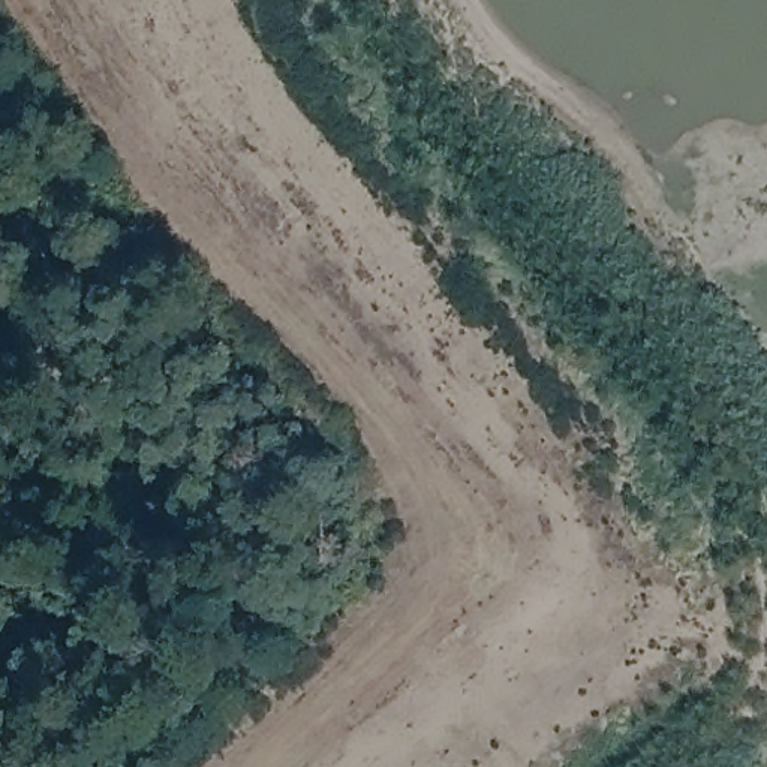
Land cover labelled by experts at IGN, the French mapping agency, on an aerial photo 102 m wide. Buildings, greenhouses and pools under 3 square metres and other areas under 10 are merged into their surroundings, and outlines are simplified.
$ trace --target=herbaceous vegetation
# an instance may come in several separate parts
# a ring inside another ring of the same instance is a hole
[[[339,6],[339,0],[306,0],[300,15],[303,36],[309,45],[318,45],[327,30],[336,27],[333,9]]]
[[[608,707],[596,707],[590,710],[584,725],[608,728],[626,737],[629,716],[641,701],[671,707],[683,692],[704,689],[716,671],[707,668],[707,656],[692,653],[692,659],[686,662],[680,659],[680,653],[665,653],[662,665],[635,674],[638,701],[617,698]]]
[[[99,548],[111,548],[108,530],[78,527],[63,566],[66,575],[78,575],[81,566],[90,563],[90,557]]]
[[[24,294],[51,294],[66,282],[75,264],[54,255],[54,237],[27,210],[0,216],[0,234],[27,249],[27,270],[21,279]]]
[[[21,327],[15,327],[15,324],[12,324],[12,318],[6,315],[6,312],[3,312],[3,309],[0,309],[0,354],[6,354],[9,348],[12,348],[12,342],[18,339],[18,336],[21,336],[21,333],[24,333],[24,330],[21,330]]]
[[[428,36],[446,45],[446,69],[440,72],[446,81],[467,81],[479,63],[473,60],[473,51],[464,42],[473,24],[452,0],[416,0],[416,12],[428,18]]]
[[[767,638],[767,572],[761,566],[761,557],[752,557],[755,602],[761,611],[758,638]]]
[[[740,273],[716,270],[707,279],[722,288],[725,300],[737,300],[737,315],[752,324],[752,333],[767,351],[767,261],[746,267]]]
[[[261,614],[252,614],[240,602],[234,602],[234,632],[264,632],[267,620]]]
[[[108,500],[117,521],[132,527],[132,602],[141,605],[150,599],[150,575],[159,569],[159,560],[189,554],[195,542],[189,539],[186,527],[177,524],[165,509],[168,494],[177,485],[171,467],[159,464],[156,479],[144,482],[138,461],[111,461],[111,473],[105,482]]]
[[[57,348],[51,348],[45,339],[36,339],[36,372],[66,369],[66,357]]]
[[[177,258],[189,246],[171,234],[162,213],[150,213],[141,216],[138,234],[123,237],[117,246],[105,246],[99,261],[81,273],[81,285],[105,285],[117,291],[120,276],[126,276],[132,267],[141,270],[150,261],[177,264]]]
[[[554,725],[554,743],[530,767],[560,767],[575,749],[581,749],[578,728]]]
[[[644,147],[641,153],[644,165],[662,171],[662,201],[674,213],[692,213],[695,177],[686,168],[686,162],[701,156],[704,129],[686,132],[665,153],[650,147]]]
[[[57,614],[39,611],[30,599],[24,599],[12,608],[15,617],[9,617],[0,629],[0,674],[9,665],[15,647],[45,641],[51,635],[51,623],[57,620]]]
[[[638,476],[638,467],[629,449],[632,440],[626,437],[623,425],[614,428],[617,467],[611,476],[611,494],[599,497],[590,491],[587,479],[572,479],[575,503],[581,506],[584,527],[593,533],[602,569],[623,566],[626,584],[635,581],[638,587],[671,587],[683,608],[695,614],[725,605],[725,584],[710,560],[710,524],[698,524],[692,530],[692,548],[662,551],[656,545],[653,524],[638,521],[635,512],[623,506],[623,485],[629,485]]]
[[[425,210],[428,219],[422,225],[422,234],[443,234],[443,243],[437,246],[437,255],[443,258],[452,255],[452,240],[452,228],[446,219],[440,210]]]
[[[0,132],[18,126],[24,111],[12,108],[9,96],[0,93]]]
[[[725,659],[737,659],[749,668],[749,686],[758,683],[767,665],[767,656],[743,653],[731,644],[725,647]]]

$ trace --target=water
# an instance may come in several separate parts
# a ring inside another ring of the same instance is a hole
[[[686,132],[704,129],[716,120],[737,120],[746,126],[767,123],[767,0],[482,0],[491,18],[512,36],[512,42],[524,54],[530,54],[551,75],[566,78],[593,105],[611,114],[620,132],[632,138],[632,144],[641,153],[644,147],[650,147],[665,153]]]

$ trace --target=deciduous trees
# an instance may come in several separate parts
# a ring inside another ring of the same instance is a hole
[[[18,126],[0,132],[0,216],[27,210],[54,237],[54,255],[75,264],[66,282],[51,294],[24,294],[21,279],[27,270],[27,249],[0,234],[0,309],[3,309],[3,312],[6,312],[6,315],[12,318],[12,324],[15,324],[15,327],[21,327],[21,330],[24,330],[24,333],[21,333],[21,336],[18,336],[18,339],[12,342],[12,348],[9,348],[6,354],[0,354],[0,629],[9,617],[15,617],[12,608],[24,599],[30,599],[39,611],[57,614],[57,620],[51,623],[51,635],[45,641],[15,647],[9,665],[0,674],[0,767],[210,767],[210,755],[222,752],[234,740],[234,731],[243,719],[264,719],[270,704],[264,698],[264,686],[273,686],[276,677],[294,671],[297,650],[306,647],[306,635],[321,632],[327,614],[345,611],[348,605],[360,602],[369,590],[384,587],[381,563],[386,560],[386,551],[395,542],[404,539],[404,524],[395,512],[395,503],[389,497],[375,497],[378,470],[360,437],[357,410],[348,401],[333,398],[327,384],[321,384],[312,375],[312,369],[282,342],[279,330],[270,321],[258,318],[243,300],[237,300],[225,282],[219,282],[210,273],[210,264],[189,246],[177,258],[177,264],[150,261],[141,270],[132,267],[126,276],[120,276],[117,291],[105,285],[81,285],[81,273],[99,261],[105,246],[117,246],[123,237],[138,234],[141,216],[150,213],[144,201],[132,192],[132,183],[108,135],[96,123],[90,123],[84,105],[72,93],[66,93],[60,69],[42,57],[42,51],[30,42],[27,30],[21,30],[6,15],[3,0],[0,0],[0,93],[9,96],[12,108],[24,111]],[[36,339],[45,339],[51,348],[57,348],[66,357],[66,369],[36,372]],[[132,602],[132,527],[117,521],[108,500],[105,482],[111,473],[111,461],[138,461],[144,482],[156,479],[159,464],[171,467],[177,485],[168,494],[165,509],[177,524],[186,527],[189,539],[195,542],[189,554],[159,560],[159,569],[150,575],[150,599],[141,605]],[[90,563],[81,566],[78,575],[66,575],[63,566],[78,527],[108,530],[111,548],[99,548],[90,557]],[[267,620],[264,632],[234,632],[234,602],[240,602],[252,614],[261,614]]]
[[[557,201],[548,207],[542,198],[533,198],[533,192],[542,183],[554,183],[560,177],[563,162],[530,162],[527,156],[518,156],[524,141],[512,138],[503,123],[458,123],[452,108],[446,108],[437,99],[437,90],[446,81],[440,72],[446,69],[446,45],[428,36],[428,18],[416,12],[416,0],[339,0],[339,6],[333,9],[336,27],[327,30],[318,45],[327,51],[327,57],[342,54],[354,66],[384,66],[386,105],[392,108],[389,147],[401,159],[419,159],[425,141],[434,150],[446,153],[443,171],[452,174],[455,186],[449,201],[461,204],[461,213],[446,219],[452,228],[452,240],[464,240],[470,246],[470,255],[476,255],[470,273],[488,279],[491,300],[506,306],[512,324],[527,342],[530,357],[554,366],[560,381],[569,381],[572,386],[593,381],[593,389],[599,395],[623,395],[629,407],[635,407],[653,428],[662,428],[665,437],[677,443],[674,452],[689,455],[695,440],[713,440],[713,452],[704,452],[701,467],[689,476],[695,494],[713,500],[710,524],[746,527],[749,536],[767,536],[767,431],[755,425],[761,407],[752,407],[752,413],[731,419],[731,410],[743,407],[743,401],[725,398],[722,386],[698,384],[689,392],[683,392],[683,386],[689,386],[695,360],[683,360],[674,348],[668,348],[668,333],[674,333],[683,324],[680,306],[656,309],[653,315],[647,315],[644,300],[611,297],[614,282],[641,270],[644,258],[629,255],[611,261],[614,246],[587,249],[581,240],[575,240],[578,222],[587,210],[584,198]]]

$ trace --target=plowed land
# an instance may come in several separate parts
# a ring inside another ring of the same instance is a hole
[[[330,632],[333,653],[324,659],[318,674],[312,674],[303,686],[288,692],[273,686],[264,686],[264,698],[270,704],[264,719],[243,719],[234,731],[234,740],[222,752],[210,755],[210,767],[530,767],[554,743],[554,725],[578,728],[584,725],[590,710],[596,707],[608,707],[617,698],[638,701],[635,674],[662,665],[665,653],[680,653],[680,659],[686,662],[692,659],[692,653],[707,656],[707,668],[716,671],[725,659],[725,647],[731,644],[725,638],[725,605],[695,614],[683,608],[671,587],[638,587],[635,581],[626,584],[623,566],[602,569],[593,533],[584,527],[581,506],[575,503],[572,479],[575,446],[551,431],[545,410],[530,398],[527,381],[515,372],[512,357],[485,348],[488,330],[467,327],[458,321],[446,297],[440,297],[440,285],[428,273],[419,246],[410,240],[410,222],[398,213],[384,213],[372,192],[363,186],[363,180],[354,174],[351,159],[339,156],[318,132],[318,126],[303,117],[303,111],[288,96],[285,84],[279,81],[276,69],[264,60],[261,48],[243,27],[237,0],[3,0],[6,15],[21,30],[27,30],[30,42],[42,51],[42,57],[60,69],[66,93],[72,93],[84,105],[90,123],[96,123],[108,135],[132,183],[132,192],[144,201],[150,213],[162,213],[171,234],[189,246],[210,264],[210,273],[219,282],[225,282],[237,300],[243,300],[258,318],[270,321],[279,330],[282,342],[312,369],[312,375],[321,384],[327,384],[333,398],[348,401],[357,410],[360,437],[378,470],[375,497],[389,497],[395,503],[395,512],[404,524],[404,539],[395,542],[386,551],[386,560],[381,563],[384,587],[369,590],[360,602],[348,605],[345,611],[339,626]]]

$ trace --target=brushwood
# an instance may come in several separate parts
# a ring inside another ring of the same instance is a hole
[[[545,410],[551,431],[575,446],[572,479],[587,479],[590,491],[599,497],[611,494],[611,476],[617,467],[614,428],[623,425],[626,437],[632,440],[629,449],[638,467],[638,476],[629,485],[623,485],[623,506],[635,512],[638,521],[653,524],[656,545],[662,551],[692,548],[692,530],[698,524],[710,524],[713,500],[695,494],[689,476],[701,467],[704,452],[713,452],[713,440],[695,440],[689,455],[674,452],[677,443],[665,437],[662,428],[653,428],[635,407],[629,407],[623,395],[599,395],[593,389],[593,381],[572,386],[569,381],[560,381],[554,366],[530,357],[527,342],[512,324],[506,306],[491,300],[488,279],[470,273],[476,255],[470,255],[470,246],[464,240],[452,240],[452,255],[443,258],[437,255],[437,246],[443,243],[443,234],[422,234],[422,225],[428,219],[425,210],[440,210],[446,219],[461,213],[461,204],[449,201],[455,186],[452,174],[443,171],[446,153],[434,150],[425,141],[419,159],[401,159],[389,147],[392,108],[386,105],[384,66],[354,66],[342,54],[327,57],[327,51],[318,45],[309,45],[303,36],[300,15],[306,0],[237,0],[243,27],[261,48],[264,60],[276,69],[279,81],[285,84],[288,96],[303,111],[303,117],[318,126],[318,132],[339,156],[351,159],[354,174],[363,180],[363,186],[372,192],[384,213],[398,213],[410,222],[410,240],[419,246],[428,273],[440,285],[440,297],[446,297],[458,321],[467,327],[488,330],[485,348],[512,357],[515,372],[527,381],[530,398]]]
[[[536,96],[536,90],[524,81],[512,78],[500,87],[497,75],[479,63],[467,81],[446,81],[437,90],[437,99],[446,108],[452,108],[458,123],[503,123],[512,138],[524,141],[518,156],[527,156],[530,162],[563,162],[560,177],[554,183],[542,183],[533,192],[533,198],[542,198],[548,207],[557,201],[584,198],[587,210],[578,222],[575,240],[581,240],[587,249],[614,246],[611,261],[629,255],[644,258],[641,270],[614,282],[611,297],[644,300],[647,315],[653,315],[656,309],[680,306],[683,324],[674,333],[668,333],[668,348],[674,348],[683,360],[695,360],[689,386],[683,386],[683,392],[689,392],[698,384],[722,386],[725,398],[743,401],[743,407],[731,410],[731,419],[752,413],[752,407],[761,407],[755,425],[767,431],[767,351],[752,333],[752,324],[737,315],[737,300],[725,300],[722,288],[707,279],[698,264],[674,270],[656,264],[653,243],[635,225],[626,222],[632,207],[626,207],[623,201],[623,174],[602,153],[596,153],[593,138],[581,135],[569,120],[560,120],[554,114],[554,105]]]
[[[303,686],[312,674],[318,674],[324,659],[333,653],[330,632],[339,626],[345,611],[327,614],[321,632],[306,635],[306,647],[297,650],[294,671],[276,677],[273,686],[288,692]]]
[[[710,560],[725,584],[725,605],[725,638],[731,644],[743,653],[767,656],[767,638],[758,638],[761,611],[755,602],[752,557],[761,557],[761,566],[767,572],[767,536],[749,536],[746,527],[710,524]]]
[[[716,671],[704,689],[683,692],[671,707],[641,701],[629,716],[626,737],[608,728],[584,725],[578,728],[581,749],[575,749],[560,767],[767,767],[767,665],[758,683],[749,686],[749,668],[737,659],[725,659]]]

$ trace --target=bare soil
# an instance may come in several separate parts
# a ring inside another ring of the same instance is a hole
[[[632,138],[620,132],[611,114],[593,105],[566,78],[551,75],[530,54],[524,54],[512,42],[512,36],[491,18],[482,0],[452,0],[473,24],[464,42],[473,51],[473,60],[479,63],[497,75],[500,87],[512,78],[524,81],[536,90],[536,96],[554,105],[554,114],[560,120],[569,120],[581,135],[593,138],[596,153],[602,153],[623,174],[623,201],[626,207],[632,207],[626,222],[635,225],[653,243],[656,264],[674,270],[698,264],[707,279],[716,270],[740,273],[746,267],[767,261],[767,123],[746,126],[737,120],[716,120],[704,129],[701,156],[686,162],[686,168],[695,177],[692,213],[674,213],[662,201],[662,171],[644,165],[641,153],[632,144]]]

